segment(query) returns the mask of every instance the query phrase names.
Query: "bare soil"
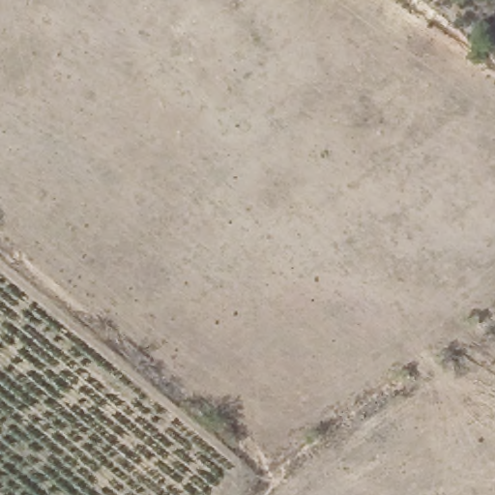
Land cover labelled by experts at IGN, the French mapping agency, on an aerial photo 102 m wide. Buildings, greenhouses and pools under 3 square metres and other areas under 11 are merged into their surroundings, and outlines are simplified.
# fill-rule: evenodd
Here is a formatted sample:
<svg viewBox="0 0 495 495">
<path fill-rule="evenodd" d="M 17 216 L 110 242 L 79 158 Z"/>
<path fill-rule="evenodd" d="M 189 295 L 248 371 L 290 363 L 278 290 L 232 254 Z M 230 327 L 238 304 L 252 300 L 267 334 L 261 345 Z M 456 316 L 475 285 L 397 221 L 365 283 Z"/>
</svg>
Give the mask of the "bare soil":
<svg viewBox="0 0 495 495">
<path fill-rule="evenodd" d="M 489 43 L 495 44 L 495 0 L 393 0 L 408 14 L 422 17 L 427 27 L 437 29 L 458 46 L 466 46 L 470 50 L 472 44 L 468 37 L 485 21 L 489 25 Z"/>
</svg>

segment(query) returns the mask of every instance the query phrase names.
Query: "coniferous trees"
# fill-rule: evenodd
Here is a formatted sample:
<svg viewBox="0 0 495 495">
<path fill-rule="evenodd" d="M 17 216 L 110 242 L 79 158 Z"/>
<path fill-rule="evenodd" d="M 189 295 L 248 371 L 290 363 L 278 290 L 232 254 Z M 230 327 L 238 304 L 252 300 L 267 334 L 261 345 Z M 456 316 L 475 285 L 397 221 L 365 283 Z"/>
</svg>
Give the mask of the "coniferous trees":
<svg viewBox="0 0 495 495">
<path fill-rule="evenodd" d="M 495 52 L 495 44 L 489 43 L 489 25 L 485 21 L 468 37 L 472 44 L 470 50 L 472 62 L 485 62 Z"/>
</svg>

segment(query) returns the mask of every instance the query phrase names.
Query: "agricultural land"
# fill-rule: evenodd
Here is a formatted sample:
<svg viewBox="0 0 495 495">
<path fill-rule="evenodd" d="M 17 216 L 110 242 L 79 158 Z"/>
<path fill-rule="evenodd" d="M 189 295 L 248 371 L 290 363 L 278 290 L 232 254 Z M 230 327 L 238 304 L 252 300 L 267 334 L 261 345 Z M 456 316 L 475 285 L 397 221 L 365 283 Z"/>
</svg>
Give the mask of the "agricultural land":
<svg viewBox="0 0 495 495">
<path fill-rule="evenodd" d="M 495 52 L 485 62 L 472 62 L 470 50 L 466 46 L 458 46 L 437 29 L 427 27 L 422 17 L 408 14 L 393 0 L 0 0 L 0 261 L 23 280 L 27 280 L 54 306 L 60 307 L 68 317 L 72 317 L 81 329 L 85 329 L 87 333 L 95 336 L 95 340 L 110 348 L 153 389 L 166 396 L 176 408 L 184 410 L 193 422 L 203 425 L 228 451 L 240 458 L 232 464 L 232 470 L 226 470 L 222 480 L 213 485 L 211 495 L 495 495 Z"/>
</svg>

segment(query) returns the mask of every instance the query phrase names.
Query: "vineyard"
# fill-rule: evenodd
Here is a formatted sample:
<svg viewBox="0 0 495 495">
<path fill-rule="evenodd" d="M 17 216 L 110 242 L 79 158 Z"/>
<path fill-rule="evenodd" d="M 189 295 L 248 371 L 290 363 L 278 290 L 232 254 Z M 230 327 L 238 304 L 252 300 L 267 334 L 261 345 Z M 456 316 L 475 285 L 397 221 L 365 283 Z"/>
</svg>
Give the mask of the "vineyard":
<svg viewBox="0 0 495 495">
<path fill-rule="evenodd" d="M 54 306 L 27 280 L 23 280 L 0 261 L 0 495 L 211 495 L 213 485 L 222 480 L 226 470 L 232 470 L 232 464 L 240 458 L 228 451 L 203 425 L 193 422 L 184 410 L 176 408 L 166 396 L 153 389 L 110 348 L 95 340 L 95 336 L 87 333 L 85 329 L 81 329 L 72 317 L 68 317 L 60 307 Z"/>
</svg>

